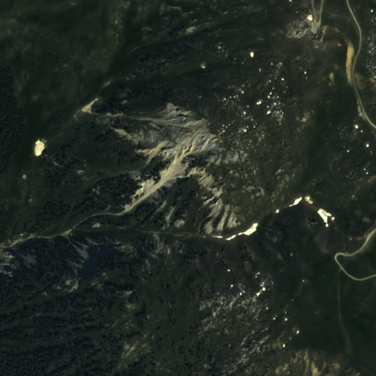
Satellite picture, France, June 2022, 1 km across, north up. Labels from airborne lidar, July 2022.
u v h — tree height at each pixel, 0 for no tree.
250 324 0
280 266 0
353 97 0
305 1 0
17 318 11
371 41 0
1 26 0
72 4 0
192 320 0
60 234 0
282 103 0
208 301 0
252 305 0
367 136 0
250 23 0
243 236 0
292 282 0
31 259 0
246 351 0
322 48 0
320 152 0
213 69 0
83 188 0
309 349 0
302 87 0
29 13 0
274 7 0
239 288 0
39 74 0
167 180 0
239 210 0
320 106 0
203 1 0
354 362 0
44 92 0
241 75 0
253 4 0
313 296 0
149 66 0
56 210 6
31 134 0
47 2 0
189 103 0
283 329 0
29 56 0
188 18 0
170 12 0
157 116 0
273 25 0
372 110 0
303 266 0
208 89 0
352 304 0
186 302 0
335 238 0
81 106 0
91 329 14
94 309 15
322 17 0
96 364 20
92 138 0
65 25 0
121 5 0
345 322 0
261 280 0
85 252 0
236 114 0
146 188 0
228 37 0
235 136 0
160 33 0
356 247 0
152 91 9
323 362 0
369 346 0
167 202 0
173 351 7
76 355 10
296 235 0
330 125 0
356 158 0
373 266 0
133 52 0
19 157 0
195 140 0
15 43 0
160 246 0
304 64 0
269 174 0
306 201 0
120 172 0
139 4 0
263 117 0
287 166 0
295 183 0
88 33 0
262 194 0
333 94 0
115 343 6
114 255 15
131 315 0
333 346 0
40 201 0
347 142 0
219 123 0
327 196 0
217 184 0
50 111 0
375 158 0
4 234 7
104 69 0
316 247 0
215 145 0
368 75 0
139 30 0
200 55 0
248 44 0
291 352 0
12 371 21
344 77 0
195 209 0
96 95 0
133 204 0
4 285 13
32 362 15
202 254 7
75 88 0
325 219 0
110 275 0
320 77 0
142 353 0
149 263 0
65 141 0
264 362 0
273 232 0
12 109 10
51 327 14
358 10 0
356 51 0
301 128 0
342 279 0
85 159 0
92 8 0
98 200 10
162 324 0
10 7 0
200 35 0
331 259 0
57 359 14
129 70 0
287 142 0
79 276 0
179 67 0
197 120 0
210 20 0
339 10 0
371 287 0
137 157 8
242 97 0
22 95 0
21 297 11
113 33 0
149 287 0
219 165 0
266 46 0
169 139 0
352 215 0
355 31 0
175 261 0
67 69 0
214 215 0
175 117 0
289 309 0
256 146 0
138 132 0
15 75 0
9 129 20
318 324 0
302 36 0
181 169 0
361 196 0
